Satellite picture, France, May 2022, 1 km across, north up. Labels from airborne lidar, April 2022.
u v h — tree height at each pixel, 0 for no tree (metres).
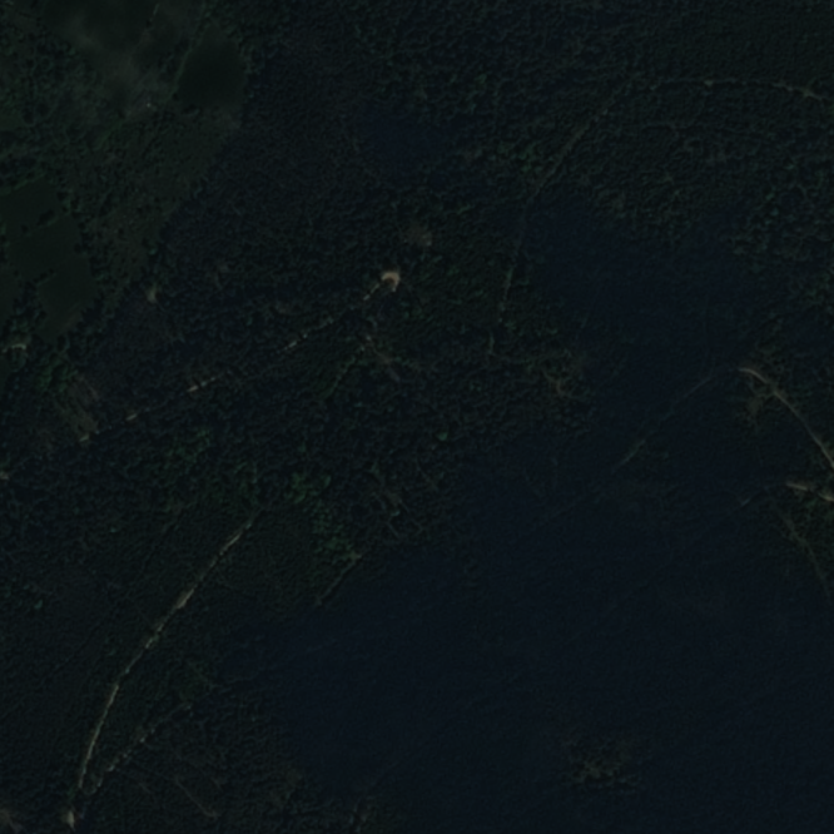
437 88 23
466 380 27
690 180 11
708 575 9
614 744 24
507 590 23
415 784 7
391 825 6
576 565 19
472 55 20
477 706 21
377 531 24
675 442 8
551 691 23
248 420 27
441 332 8
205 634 11
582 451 6
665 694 24
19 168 15
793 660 23
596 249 10
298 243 8
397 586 9
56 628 19
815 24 9
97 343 18
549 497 7
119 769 10
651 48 13
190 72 0
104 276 15
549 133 6
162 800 16
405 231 9
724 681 25
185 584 7
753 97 10
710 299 13
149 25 7
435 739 9
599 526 6
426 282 8
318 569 10
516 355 25
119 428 33
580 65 15
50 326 0
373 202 22
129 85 0
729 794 19
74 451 26
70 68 20
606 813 17
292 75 22
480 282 7
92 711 10
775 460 9
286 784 21
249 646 7
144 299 23
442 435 19
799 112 9
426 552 6
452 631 7
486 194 24
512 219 10
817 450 11
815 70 10
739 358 7
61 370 19
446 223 9
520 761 20
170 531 8
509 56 26
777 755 25
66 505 26
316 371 9
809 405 9
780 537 7
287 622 11
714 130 10
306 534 7
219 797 16
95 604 21
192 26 14
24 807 22
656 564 24
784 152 9
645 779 23
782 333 8
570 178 8
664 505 19
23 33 8
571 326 7
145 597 10
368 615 8
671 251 12
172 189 0
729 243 12
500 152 9
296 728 23
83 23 0
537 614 22
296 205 20
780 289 10
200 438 25
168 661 7
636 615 7
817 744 21
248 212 21
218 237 21
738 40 16
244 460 29
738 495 21
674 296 9
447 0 23
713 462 8
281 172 17
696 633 8
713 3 14
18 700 24
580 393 28
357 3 17
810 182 23
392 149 18
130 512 10
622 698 24
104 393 18
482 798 13
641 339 23
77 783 11
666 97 13
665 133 15
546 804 8
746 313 14
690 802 23
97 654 17
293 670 25
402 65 24
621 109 11
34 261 0
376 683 8
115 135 6
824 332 15
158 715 21
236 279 8
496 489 7
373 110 18
